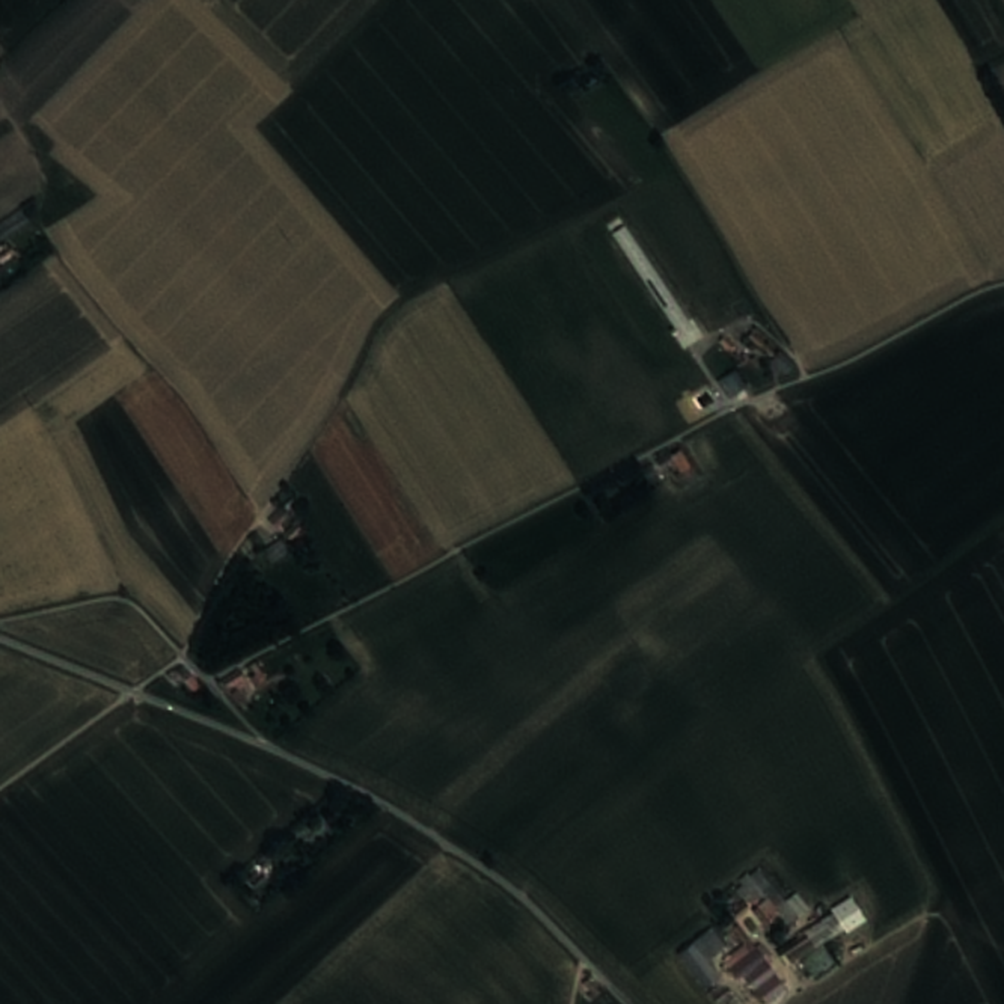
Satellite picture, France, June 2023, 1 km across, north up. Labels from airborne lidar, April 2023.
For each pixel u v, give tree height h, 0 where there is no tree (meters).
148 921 0
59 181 0
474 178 0
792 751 0
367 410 0
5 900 0
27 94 0
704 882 0
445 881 0
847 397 0
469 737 0
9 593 0
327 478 0
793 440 0
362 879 0
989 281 0
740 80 0
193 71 0
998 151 0
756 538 0
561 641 0
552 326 0
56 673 0
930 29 0
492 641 0
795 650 0
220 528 0
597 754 0
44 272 0
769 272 0
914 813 0
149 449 0
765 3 0
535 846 0
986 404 0
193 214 0
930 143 0
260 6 0
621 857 0
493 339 0
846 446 0
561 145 0
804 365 0
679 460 0
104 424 0
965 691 0
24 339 0
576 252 0
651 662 0
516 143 0
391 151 0
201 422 0
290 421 0
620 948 0
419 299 0
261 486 0
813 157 0
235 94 0
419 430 0
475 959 0
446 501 0
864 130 0
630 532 0
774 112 0
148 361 0
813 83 0
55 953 0
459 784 0
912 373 0
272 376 0
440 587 0
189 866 0
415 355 0
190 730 0
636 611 0
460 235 0
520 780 0
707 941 0
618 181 0
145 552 0
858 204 0
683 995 0
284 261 0
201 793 0
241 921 0
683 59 0
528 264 0
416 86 0
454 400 0
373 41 0
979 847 0
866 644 0
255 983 0
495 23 0
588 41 0
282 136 0
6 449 0
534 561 0
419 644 0
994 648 0
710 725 0
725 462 0
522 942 0
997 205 0
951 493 0
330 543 0
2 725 0
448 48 0
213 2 0
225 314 0
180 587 0
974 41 0
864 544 0
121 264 0
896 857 0
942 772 0
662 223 0
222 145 0
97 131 0
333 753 0
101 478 0
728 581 0
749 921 0
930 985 0
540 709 0
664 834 0
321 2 0
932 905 0
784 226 0
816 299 0
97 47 0
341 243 0
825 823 0
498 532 0
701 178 0
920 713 0
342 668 0
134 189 0
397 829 0
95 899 0
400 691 0
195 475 0
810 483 0
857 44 0
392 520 0
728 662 0
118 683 0
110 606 0
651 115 0
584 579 0
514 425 0
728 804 0
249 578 10
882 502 0
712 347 0
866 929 0
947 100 0
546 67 0
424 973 0
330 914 0
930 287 0
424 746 0
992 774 0
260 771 0
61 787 0
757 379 0
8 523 0
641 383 0
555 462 0
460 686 0
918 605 0
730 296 0
